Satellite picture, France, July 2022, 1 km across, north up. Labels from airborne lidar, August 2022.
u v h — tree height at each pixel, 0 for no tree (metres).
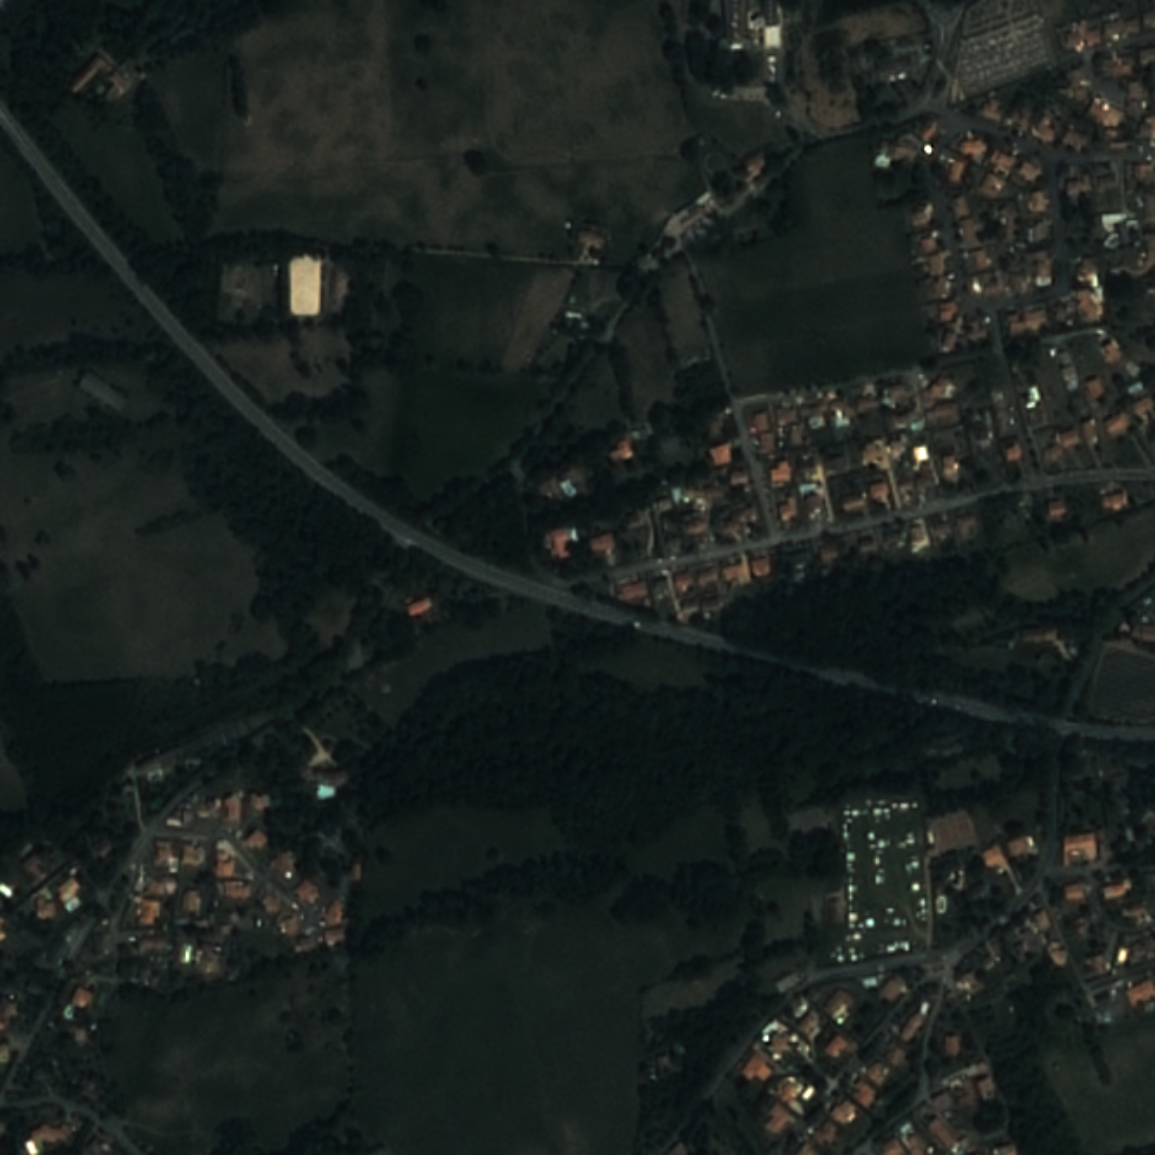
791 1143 8
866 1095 0
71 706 10
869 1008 8
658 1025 6
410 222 0
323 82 0
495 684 24
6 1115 13
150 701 10
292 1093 0
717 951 0
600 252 7
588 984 0
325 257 9
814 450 0
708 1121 7
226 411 6
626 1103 0
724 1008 19
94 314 0
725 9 0
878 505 10
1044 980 14
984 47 0
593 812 22
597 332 15
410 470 0
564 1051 0
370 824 14
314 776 0
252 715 6
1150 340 8
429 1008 0
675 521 7
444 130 0
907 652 21
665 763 20
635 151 0
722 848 0
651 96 0
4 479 0
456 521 12
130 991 12
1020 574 0
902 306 0
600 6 0
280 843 10
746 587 0
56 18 16
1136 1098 0
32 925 6
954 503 0
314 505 17
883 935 0
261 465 15
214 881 7
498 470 7
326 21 0
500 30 0
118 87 0
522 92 0
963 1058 10
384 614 10
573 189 0
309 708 9
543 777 17
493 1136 0
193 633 0
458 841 0
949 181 5
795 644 28
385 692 0
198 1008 0
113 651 0
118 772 6
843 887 0
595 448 18
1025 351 8
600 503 11
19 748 10
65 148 8
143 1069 0
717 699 22
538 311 0
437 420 0
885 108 9
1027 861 8
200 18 12
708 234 25
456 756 24
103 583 0
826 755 25
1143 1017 0
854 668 12
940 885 7
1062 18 0
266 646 0
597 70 0
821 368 0
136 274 19
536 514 7
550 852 0
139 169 0
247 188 0
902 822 0
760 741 19
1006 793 6
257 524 18
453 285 0
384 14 0
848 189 0
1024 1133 17
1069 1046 0
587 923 0
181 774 12
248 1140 32
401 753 19
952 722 16
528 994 0
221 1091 0
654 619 9
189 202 18
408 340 20
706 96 0
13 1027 8
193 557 0
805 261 0
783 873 7
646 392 0
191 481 9
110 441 12
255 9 23
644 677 0
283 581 18
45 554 0
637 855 0
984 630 7
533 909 15
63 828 18
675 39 6
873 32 0
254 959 11
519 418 0
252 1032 0
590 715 26
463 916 17
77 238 10
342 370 14
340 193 0
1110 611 25
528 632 0
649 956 0
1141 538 0
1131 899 10
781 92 22
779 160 17
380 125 0
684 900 10
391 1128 0
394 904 0
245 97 11
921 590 30
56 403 0
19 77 18
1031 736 24
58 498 0
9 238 0
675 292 0
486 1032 0
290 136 0
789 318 0
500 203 0
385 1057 0
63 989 8
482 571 0
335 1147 22
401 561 18
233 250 18
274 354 0
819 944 10
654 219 0
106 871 8
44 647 0
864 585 21
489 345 0
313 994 6
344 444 0
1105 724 8
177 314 13
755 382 0
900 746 26
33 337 0
